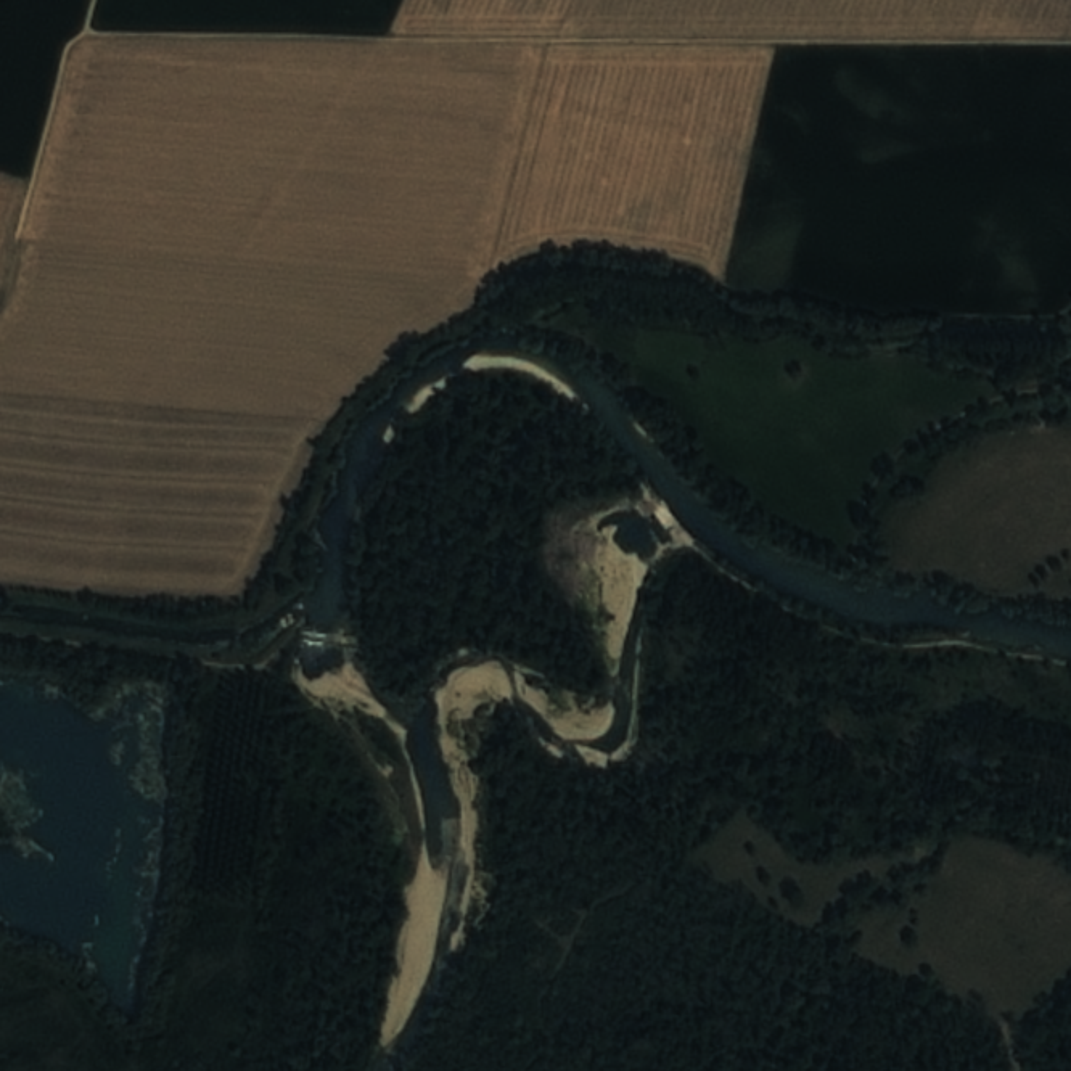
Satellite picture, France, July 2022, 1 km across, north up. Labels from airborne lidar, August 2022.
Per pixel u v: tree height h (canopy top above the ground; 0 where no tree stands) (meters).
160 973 15
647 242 0
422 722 0
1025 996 0
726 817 16
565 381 0
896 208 0
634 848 20
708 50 0
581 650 34
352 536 19
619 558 0
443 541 23
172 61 0
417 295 0
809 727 11
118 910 0
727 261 0
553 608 33
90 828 0
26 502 0
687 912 18
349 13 0
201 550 0
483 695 0
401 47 0
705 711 14
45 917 0
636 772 15
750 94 0
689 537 0
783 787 18
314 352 0
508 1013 7
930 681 10
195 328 0
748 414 0
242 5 0
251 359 0
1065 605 7
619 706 0
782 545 17
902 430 0
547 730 0
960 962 0
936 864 13
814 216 0
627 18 0
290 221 0
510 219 0
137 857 0
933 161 0
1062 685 0
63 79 0
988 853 0
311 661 0
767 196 0
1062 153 0
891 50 0
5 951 7
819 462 0
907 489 15
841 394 0
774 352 0
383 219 0
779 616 25
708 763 17
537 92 0
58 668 22
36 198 0
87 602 15
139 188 0
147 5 0
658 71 0
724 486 6
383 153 0
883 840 16
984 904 0
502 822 7
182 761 17
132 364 0
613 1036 7
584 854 20
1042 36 0
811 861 10
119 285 0
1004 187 0
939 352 29
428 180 0
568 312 8
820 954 14
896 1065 19
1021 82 0
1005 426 6
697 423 0
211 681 16
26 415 0
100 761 0
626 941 7
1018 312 0
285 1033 21
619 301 33
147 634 0
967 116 0
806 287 0
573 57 0
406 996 0
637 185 0
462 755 0
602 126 0
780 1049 7
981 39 0
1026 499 0
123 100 0
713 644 17
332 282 0
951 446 13
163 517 0
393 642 16
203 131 0
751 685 23
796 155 0
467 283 0
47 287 0
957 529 0
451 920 0
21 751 0
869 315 15
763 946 6
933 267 0
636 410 26
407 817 0
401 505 16
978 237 0
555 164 0
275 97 0
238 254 0
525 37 0
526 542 11
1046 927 0
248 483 0
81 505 0
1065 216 0
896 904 17
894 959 0
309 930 23
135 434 0
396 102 0
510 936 8
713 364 0
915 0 0
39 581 0
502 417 15
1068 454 0
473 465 22
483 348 0
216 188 0
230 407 0
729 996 6
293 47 0
